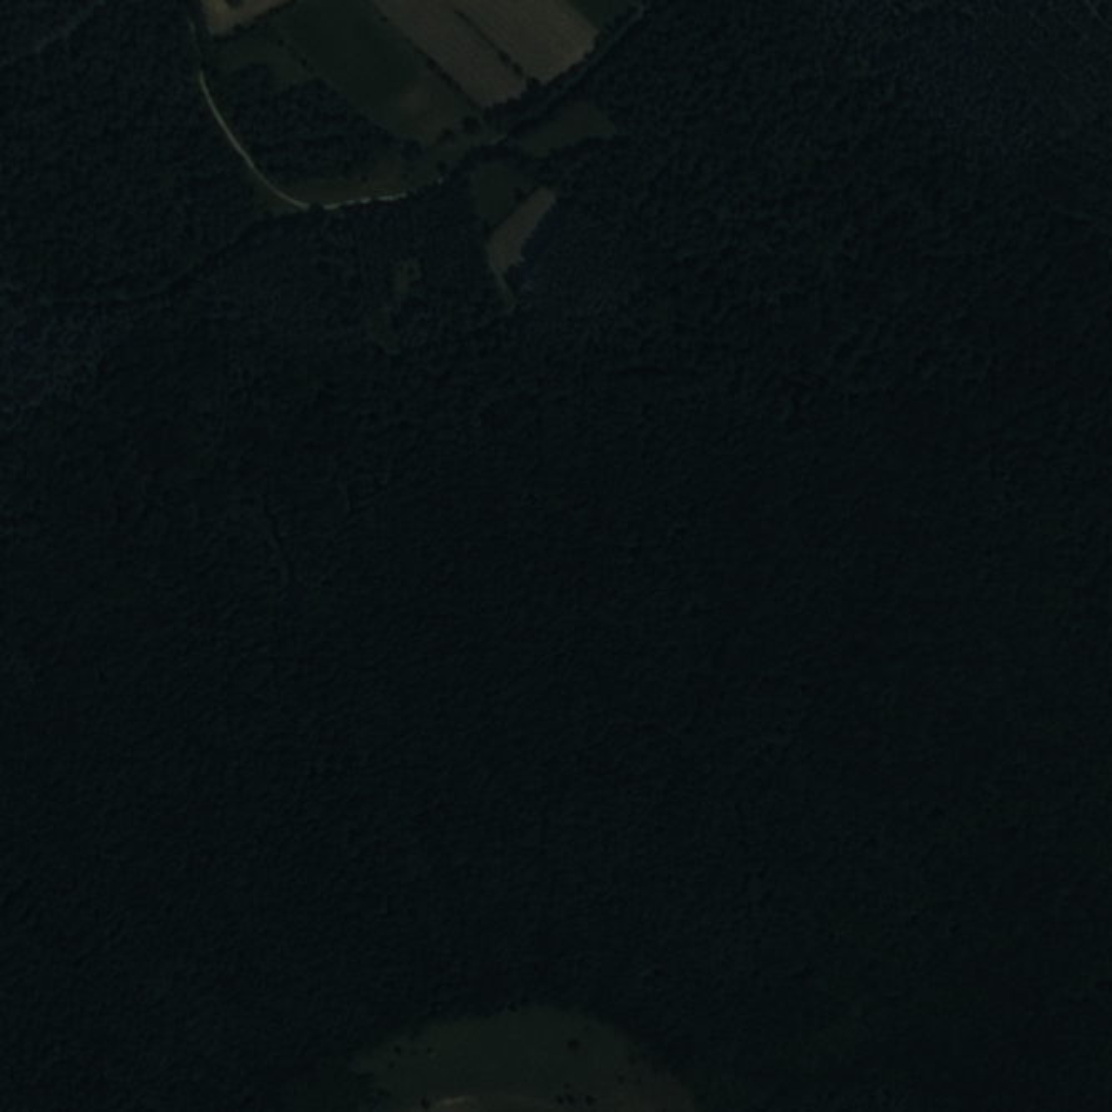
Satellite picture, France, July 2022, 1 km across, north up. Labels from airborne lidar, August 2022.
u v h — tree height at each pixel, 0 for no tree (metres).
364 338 24
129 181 22
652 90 19
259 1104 16
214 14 0
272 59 0
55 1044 22
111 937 24
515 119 7
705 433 25
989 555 23
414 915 24
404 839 21
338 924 21
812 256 17
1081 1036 20
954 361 21
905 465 27
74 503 24
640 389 26
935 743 23
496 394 21
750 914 21
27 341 26
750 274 21
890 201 22
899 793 22
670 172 22
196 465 23
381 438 24
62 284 12
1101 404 22
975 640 25
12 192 21
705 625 22
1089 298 25
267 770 22
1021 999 21
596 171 21
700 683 24
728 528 25
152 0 17
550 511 24
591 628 25
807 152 11
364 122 10
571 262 26
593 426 26
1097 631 25
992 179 18
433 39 0
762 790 25
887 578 27
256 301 21
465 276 18
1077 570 27
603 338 18
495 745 20
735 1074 16
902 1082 24
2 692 25
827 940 21
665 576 24
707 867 20
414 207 19
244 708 26
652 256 22
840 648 24
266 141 6
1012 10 19
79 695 30
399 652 23
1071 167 16
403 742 22
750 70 20
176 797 21
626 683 23
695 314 9
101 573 24
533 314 27
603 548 25
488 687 22
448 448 26
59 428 24
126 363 27
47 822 25
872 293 20
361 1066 0
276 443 22
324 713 19
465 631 23
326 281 20
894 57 30
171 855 23
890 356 29
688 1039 16
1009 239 22
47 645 27
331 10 0
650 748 19
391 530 26
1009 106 23
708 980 20
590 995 14
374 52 0
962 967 22
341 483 16
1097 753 24
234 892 21
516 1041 0
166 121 24
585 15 0
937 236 15
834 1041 20
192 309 20
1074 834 24
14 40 15
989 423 22
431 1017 10
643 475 27
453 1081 0
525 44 0
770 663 22
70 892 23
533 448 22
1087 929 23
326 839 27
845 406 27
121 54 21
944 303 24
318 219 23
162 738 23
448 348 19
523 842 18
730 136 25
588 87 18
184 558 21
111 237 24
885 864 20
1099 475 27
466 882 20
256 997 19
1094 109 16
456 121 0
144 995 26
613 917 19
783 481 27
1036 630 23
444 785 22
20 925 21
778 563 22
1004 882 22
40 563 21
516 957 16
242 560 25
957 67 29
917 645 23
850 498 23
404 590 24
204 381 21
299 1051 16
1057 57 20
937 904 20
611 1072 0
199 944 21
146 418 27
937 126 25
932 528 27
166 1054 22
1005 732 21
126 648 25
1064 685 24
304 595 26
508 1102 0
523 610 21
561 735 21
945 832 22
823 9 21
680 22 18
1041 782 22
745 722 22
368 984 19
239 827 21
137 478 18
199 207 23
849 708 23
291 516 25
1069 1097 23
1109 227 18
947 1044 22
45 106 23
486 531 22
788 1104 22
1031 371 25
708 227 22
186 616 21
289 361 21
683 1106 0
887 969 21
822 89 28
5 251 20
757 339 25
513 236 0
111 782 24
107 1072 17
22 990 26
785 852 21
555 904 20
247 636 28
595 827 18
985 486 24
